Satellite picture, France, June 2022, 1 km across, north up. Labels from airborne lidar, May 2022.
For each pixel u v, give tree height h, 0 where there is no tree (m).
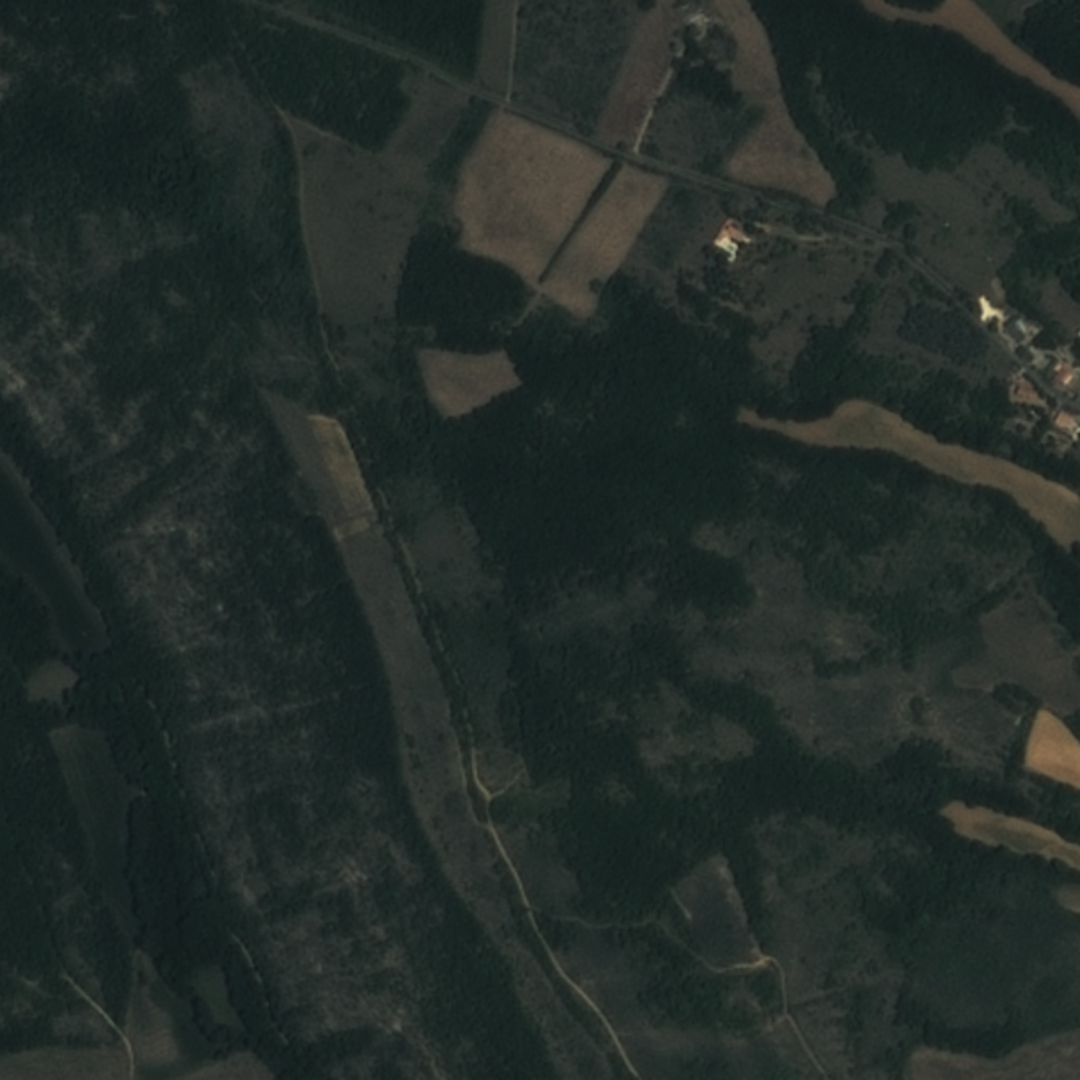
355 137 8
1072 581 12
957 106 9
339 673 6
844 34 14
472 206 0
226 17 12
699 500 10
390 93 8
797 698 0
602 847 11
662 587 7
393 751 9
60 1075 0
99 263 0
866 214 0
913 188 0
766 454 10
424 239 9
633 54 0
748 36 0
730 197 6
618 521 7
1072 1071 0
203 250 8
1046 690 0
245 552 6
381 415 6
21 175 8
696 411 7
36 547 0
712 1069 9
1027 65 0
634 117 0
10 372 0
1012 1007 7
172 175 9
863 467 11
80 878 9
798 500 9
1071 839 15
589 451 9
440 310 10
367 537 0
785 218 5
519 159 0
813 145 11
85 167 10
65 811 11
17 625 12
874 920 10
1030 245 9
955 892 8
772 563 0
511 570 11
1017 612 0
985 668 0
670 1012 8
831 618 0
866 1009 7
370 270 0
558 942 7
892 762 12
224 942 12
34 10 7
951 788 14
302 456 0
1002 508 10
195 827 9
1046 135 8
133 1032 0
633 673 9
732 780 12
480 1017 7
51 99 6
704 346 10
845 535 10
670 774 6
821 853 7
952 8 0
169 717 10
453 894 7
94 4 11
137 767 12
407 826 8
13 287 9
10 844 11
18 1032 12
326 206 0
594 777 8
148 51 7
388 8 11
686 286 8
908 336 11
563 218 0
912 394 9
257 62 9
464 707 8
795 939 0
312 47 8
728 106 9
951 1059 0
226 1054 11
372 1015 0
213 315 6
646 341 11
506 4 0
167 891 18
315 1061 11
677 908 8
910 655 8
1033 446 9
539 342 7
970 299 9
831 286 0
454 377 0
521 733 7
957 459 0
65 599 0
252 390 7
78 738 0
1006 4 0
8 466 0
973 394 7
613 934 8
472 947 6
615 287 8
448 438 12
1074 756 0
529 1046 8
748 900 8
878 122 12
